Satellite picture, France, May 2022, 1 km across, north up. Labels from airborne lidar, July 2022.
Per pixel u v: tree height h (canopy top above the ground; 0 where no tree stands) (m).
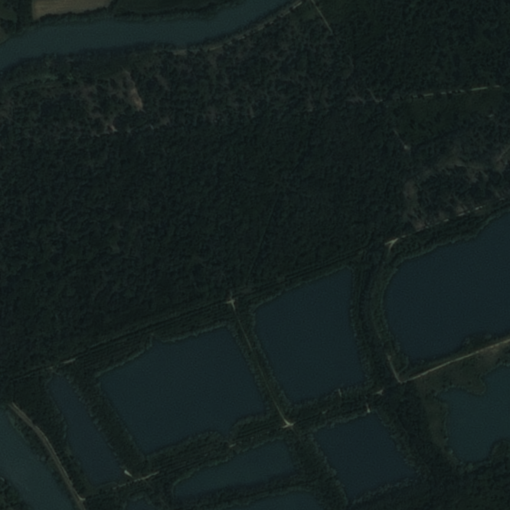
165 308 14
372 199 17
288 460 0
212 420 0
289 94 25
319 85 11
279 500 0
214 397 0
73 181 25
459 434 0
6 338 24
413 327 0
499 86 23
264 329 0
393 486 10
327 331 0
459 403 0
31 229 29
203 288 25
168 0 0
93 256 10
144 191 15
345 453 0
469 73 13
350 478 0
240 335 8
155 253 8
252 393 0
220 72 15
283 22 12
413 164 25
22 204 13
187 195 21
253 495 17
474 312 0
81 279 9
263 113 25
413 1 21
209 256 23
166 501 9
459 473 12
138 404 0
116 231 24
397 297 0
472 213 11
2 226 13
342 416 14
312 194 24
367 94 14
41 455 6
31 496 0
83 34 0
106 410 10
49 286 21
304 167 26
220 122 22
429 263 0
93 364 9
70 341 24
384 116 20
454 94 7
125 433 12
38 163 27
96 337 10
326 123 22
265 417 13
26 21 18
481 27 30
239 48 26
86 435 0
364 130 16
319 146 22
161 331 6
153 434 0
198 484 0
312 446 10
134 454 8
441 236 12
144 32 0
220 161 27
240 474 0
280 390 12
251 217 22
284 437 8
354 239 6
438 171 18
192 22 0
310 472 16
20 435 0
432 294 0
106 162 10
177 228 25
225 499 6
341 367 0
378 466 0
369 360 8
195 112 25
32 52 0
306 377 0
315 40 14
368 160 22
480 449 0
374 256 26
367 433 0
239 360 0
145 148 15
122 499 6
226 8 0
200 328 9
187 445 7
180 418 0
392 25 12
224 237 25
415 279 0
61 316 21
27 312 29
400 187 21
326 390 0
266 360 10
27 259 23
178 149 21
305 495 0
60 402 0
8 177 24
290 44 14
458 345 0
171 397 0
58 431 11
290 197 27
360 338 9
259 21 13
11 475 0
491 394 0
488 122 0
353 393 8
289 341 0
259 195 23
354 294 8
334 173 21
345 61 13
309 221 20
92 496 8
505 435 0
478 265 0
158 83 23
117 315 17
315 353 0
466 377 0
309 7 23
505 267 0
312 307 0
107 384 0
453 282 0
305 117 18
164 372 0
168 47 14
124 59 0
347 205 14
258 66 25
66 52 0
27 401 10
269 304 0
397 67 16
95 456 0
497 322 0
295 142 21
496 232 0
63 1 0
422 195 18
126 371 0
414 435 14
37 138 16
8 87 30
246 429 6
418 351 0
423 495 31
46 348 22
